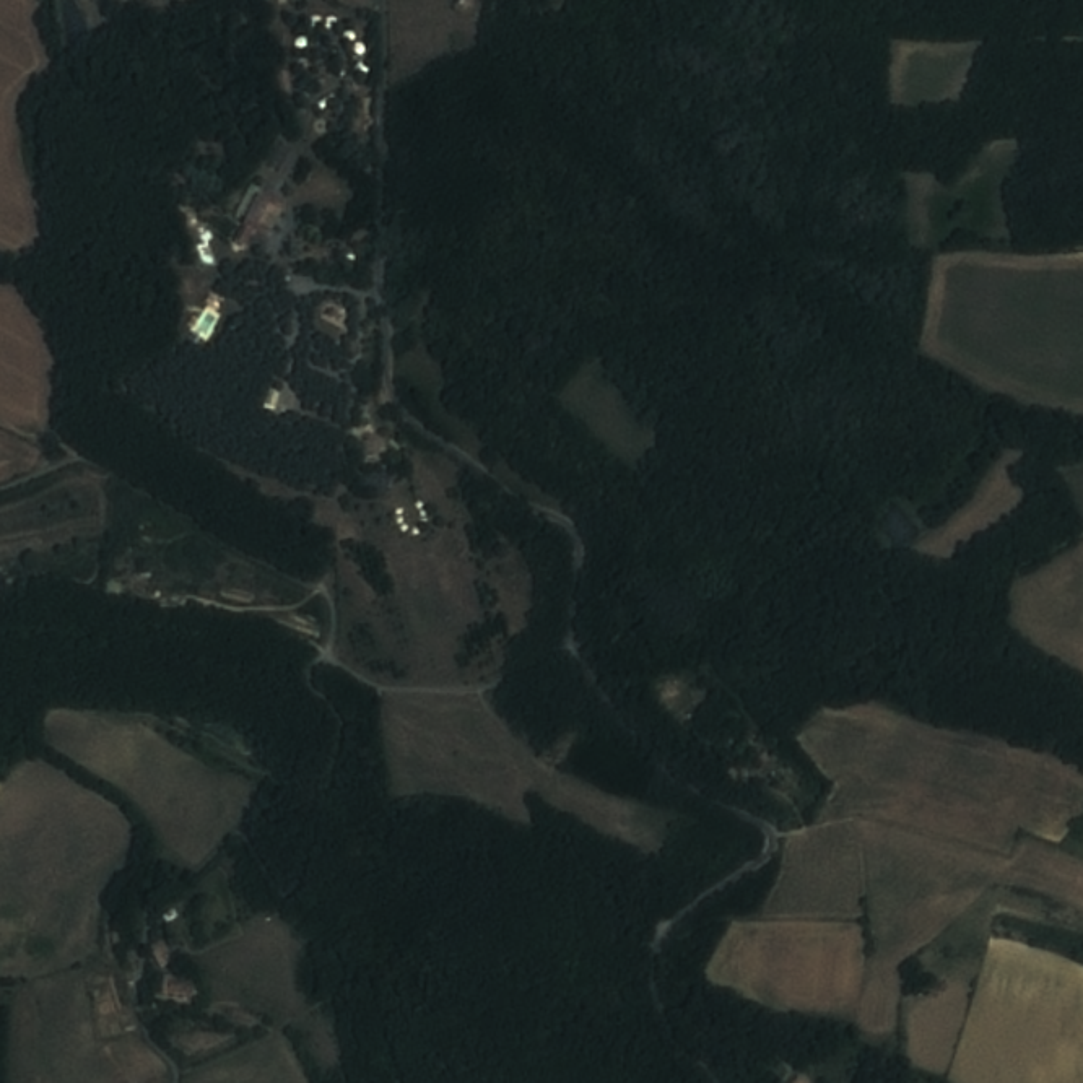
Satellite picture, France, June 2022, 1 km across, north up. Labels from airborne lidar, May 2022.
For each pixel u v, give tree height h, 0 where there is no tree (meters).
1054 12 10
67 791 0
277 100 18
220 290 13
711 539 17
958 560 16
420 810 17
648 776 11
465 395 17
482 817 12
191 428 11
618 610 25
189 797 0
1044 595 0
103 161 18
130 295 19
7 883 0
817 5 13
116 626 11
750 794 15
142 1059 0
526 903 13
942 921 0
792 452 18
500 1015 12
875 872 0
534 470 17
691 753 13
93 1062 0
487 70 11
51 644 20
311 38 8
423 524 9
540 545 17
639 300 14
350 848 11
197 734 11
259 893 6
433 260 19
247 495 18
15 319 0
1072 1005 0
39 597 11
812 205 18
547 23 20
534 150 15
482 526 7
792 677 17
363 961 17
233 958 0
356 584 0
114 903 19
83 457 12
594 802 0
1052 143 19
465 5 0
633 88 13
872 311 23
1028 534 18
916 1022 0
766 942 0
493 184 22
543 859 13
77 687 18
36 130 11
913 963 13
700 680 9
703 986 15
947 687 16
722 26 24
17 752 15
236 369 12
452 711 0
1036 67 16
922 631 21
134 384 12
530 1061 16
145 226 17
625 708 17
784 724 15
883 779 0
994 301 0
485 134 21
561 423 18
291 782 18
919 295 15
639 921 18
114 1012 0
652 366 19
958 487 11
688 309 16
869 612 22
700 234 19
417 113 17
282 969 0
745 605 18
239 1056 0
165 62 22
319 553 18
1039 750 13
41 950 0
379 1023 10
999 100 15
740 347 23
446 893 17
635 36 15
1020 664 16
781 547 22
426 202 14
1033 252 16
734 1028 22
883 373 15
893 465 20
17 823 0
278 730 17
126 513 0
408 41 0
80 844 0
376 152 19
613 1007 16
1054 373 0
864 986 0
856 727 0
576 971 13
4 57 0
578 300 18
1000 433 23
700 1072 19
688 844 8
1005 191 16
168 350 12
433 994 9
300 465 15
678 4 17
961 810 0
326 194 0
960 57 0
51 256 19
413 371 0
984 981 0
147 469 16
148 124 23
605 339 20
